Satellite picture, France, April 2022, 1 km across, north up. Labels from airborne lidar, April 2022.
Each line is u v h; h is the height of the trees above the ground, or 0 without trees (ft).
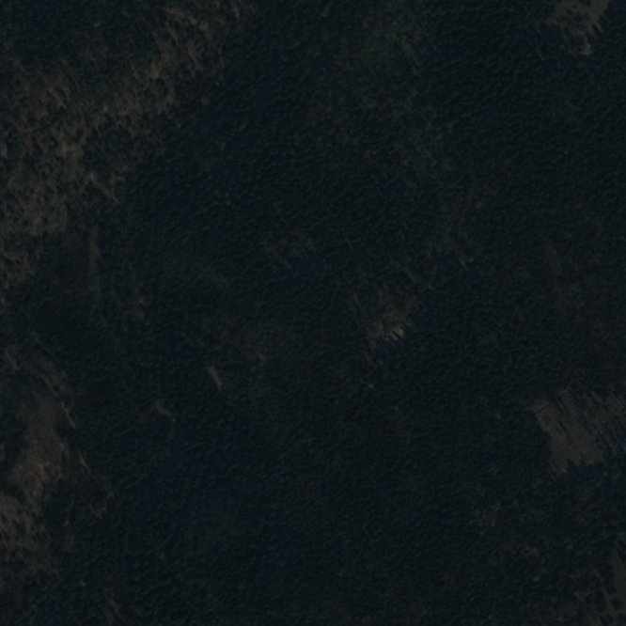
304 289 102
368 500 86
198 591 54
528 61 104
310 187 114
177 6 81
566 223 91
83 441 48
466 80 118
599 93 105
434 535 91
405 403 82
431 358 100
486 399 113
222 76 102
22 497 74
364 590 96
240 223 116
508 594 73
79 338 61
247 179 113
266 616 55
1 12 119
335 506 92
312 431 103
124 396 57
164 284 80
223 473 92
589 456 0
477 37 107
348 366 81
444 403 104
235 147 106
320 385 96
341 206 109
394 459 88
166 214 71
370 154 112
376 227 114
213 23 84
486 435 105
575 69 119
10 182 79
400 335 0
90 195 96
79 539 76
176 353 84
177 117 65
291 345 84
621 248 94
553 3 106
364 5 118
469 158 98
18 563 43
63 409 77
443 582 83
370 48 57
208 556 68
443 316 106
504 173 99
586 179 100
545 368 115
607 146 92
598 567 43
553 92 103
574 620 56
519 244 72
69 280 63
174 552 76
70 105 84
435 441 90
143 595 111
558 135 95
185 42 62
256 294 77
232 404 57
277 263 36
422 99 0
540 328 112
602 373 91
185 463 98
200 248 60
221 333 101
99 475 85
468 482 86
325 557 81
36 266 97
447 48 109
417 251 107
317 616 45
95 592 110
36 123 108
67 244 73
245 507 95
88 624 112
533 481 72
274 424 69
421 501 94
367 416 82
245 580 61
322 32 115
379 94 115
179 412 89
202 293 63
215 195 107
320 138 101
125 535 110
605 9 0
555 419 0
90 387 61
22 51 102
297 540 58
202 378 72
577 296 39
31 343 110
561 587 39
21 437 96
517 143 109
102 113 87
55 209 30
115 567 78
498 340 111
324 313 108
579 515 57
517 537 69
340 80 50
